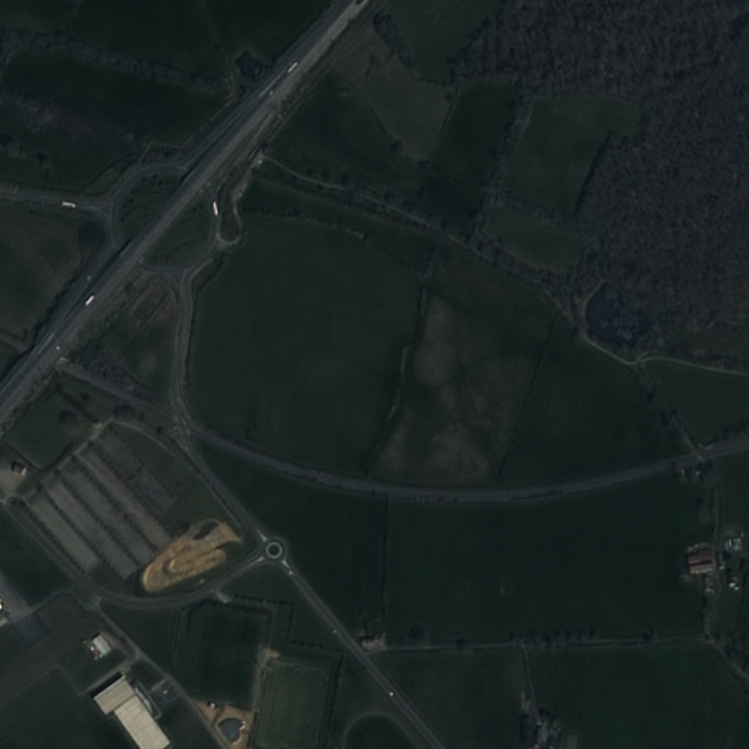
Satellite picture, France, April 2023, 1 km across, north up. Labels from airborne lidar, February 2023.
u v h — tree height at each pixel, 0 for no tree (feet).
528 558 0
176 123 0
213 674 0
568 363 0
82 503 30
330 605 0
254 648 0
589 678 0
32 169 0
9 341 0
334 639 0
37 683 0
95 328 45
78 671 0
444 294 0
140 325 0
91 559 0
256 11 0
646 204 91
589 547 0
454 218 0
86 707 0
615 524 0
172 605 0
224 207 41
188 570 0
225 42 0
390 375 0
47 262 0
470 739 0
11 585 0
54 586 0
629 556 0
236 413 0
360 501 0
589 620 0
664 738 0
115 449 0
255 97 0
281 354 0
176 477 0
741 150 68
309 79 36
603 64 72
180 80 52
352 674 0
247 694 0
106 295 0
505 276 35
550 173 0
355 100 0
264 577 0
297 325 0
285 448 0
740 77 67
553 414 0
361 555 0
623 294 45
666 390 0
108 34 0
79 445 0
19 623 0
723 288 67
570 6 85
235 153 0
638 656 0
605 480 0
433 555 0
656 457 0
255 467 0
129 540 0
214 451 0
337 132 0
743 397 0
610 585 0
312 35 0
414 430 0
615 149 36
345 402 0
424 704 0
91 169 0
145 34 0
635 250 72
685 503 0
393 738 0
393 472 0
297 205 0
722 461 0
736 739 0
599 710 0
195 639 0
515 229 0
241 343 0
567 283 31
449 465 0
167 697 0
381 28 66
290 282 0
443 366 0
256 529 0
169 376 0
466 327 0
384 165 0
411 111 0
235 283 0
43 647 0
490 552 0
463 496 0
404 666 0
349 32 37
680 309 40
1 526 0
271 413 0
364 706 0
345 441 0
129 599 0
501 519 0
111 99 0
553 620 0
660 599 0
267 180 36
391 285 0
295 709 0
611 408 0
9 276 0
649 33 75
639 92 53
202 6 0
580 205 27
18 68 0
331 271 0
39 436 0
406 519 0
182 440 0
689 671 0
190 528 0
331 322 0
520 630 0
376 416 0
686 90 61
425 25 0
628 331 28
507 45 71
